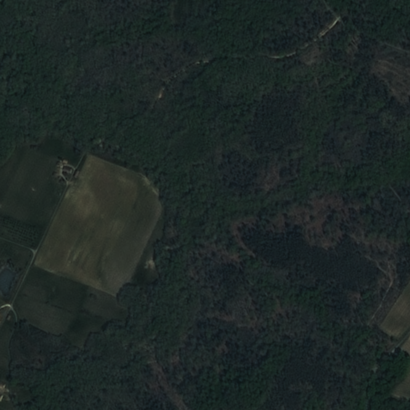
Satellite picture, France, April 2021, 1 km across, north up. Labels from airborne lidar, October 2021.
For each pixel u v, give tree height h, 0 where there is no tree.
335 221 19
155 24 22
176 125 16
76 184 0
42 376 28
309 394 14
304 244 16
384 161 15
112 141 19
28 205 0
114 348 14
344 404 14
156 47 15
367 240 13
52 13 17
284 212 15
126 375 22
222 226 20
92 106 24
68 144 17
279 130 21
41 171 0
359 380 11
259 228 11
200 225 7
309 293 24
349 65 19
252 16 23
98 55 19
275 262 16
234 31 23
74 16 12
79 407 25
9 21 23
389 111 12
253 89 15
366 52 25
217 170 15
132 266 0
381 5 18
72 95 19
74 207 0
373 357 20
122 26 21
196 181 22
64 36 11
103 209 0
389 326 0
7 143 24
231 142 18
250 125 17
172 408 19
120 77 14
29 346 7
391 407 16
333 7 17
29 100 23
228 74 20
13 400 20
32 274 0
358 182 24
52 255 0
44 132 20
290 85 10
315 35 11
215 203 24
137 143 21
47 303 6
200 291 17
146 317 21
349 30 12
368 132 12
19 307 0
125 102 18
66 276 0
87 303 0
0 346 0
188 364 22
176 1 11
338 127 12
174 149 17
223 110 24
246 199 17
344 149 9
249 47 17
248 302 17
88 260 0
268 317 14
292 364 16
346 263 13
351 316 14
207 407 21
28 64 23
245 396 21
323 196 6
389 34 16
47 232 0
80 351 12
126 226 0
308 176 19
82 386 23
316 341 9
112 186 0
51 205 0
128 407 16
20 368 7
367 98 18
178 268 19
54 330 0
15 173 0
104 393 15
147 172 14
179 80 11
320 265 16
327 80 20
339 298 16
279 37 16
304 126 17
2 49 23
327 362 9
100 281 0
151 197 0
